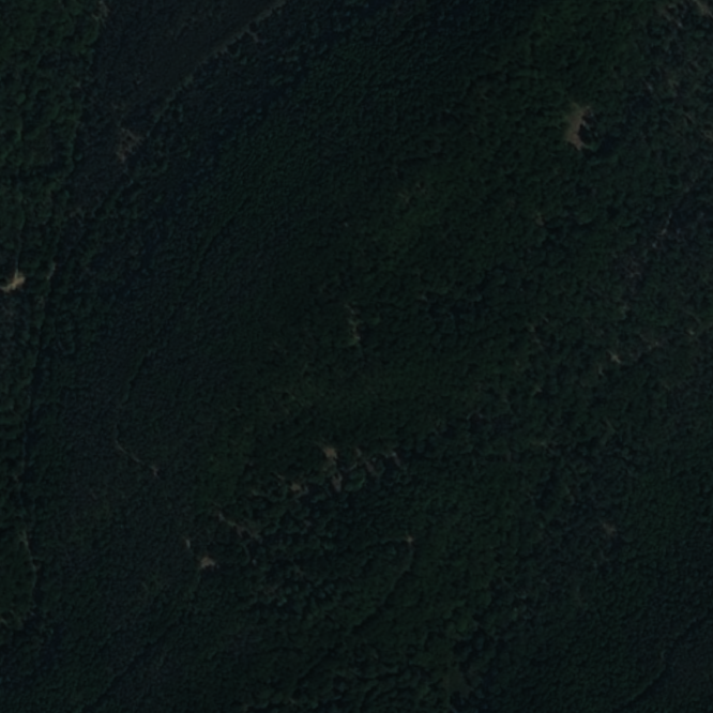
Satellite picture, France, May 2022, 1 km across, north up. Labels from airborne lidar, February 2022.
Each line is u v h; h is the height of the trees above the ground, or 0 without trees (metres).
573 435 30
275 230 23
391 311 36
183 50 13
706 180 11
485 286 36
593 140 25
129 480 23
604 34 35
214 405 23
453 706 0
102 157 27
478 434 34
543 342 30
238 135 27
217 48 5
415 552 22
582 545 28
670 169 29
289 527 37
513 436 33
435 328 34
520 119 32
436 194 23
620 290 31
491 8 30
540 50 32
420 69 27
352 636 31
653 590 32
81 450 28
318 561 29
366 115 27
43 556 24
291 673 29
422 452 36
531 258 36
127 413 24
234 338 24
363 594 21
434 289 39
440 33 25
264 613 29
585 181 32
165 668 25
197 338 21
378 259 31
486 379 34
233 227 25
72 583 28
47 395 30
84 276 15
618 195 30
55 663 27
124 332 26
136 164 30
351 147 25
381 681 39
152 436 19
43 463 32
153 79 13
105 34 21
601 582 29
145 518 25
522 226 35
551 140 36
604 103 31
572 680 25
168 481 21
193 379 24
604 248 25
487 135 33
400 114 22
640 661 24
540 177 33
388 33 32
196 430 25
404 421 38
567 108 27
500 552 37
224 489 27
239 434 31
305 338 32
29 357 27
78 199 26
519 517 33
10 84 30
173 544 21
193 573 23
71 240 29
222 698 29
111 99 23
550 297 32
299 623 30
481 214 33
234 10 14
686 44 32
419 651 36
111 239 13
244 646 23
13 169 11
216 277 22
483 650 37
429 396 33
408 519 20
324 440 36
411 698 39
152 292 26
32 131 27
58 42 30
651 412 29
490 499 28
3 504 27
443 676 8
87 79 18
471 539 29
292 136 25
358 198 21
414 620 32
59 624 34
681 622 26
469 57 28
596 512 31
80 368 25
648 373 26
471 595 38
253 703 35
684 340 30
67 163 21
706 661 23
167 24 21
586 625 29
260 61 11
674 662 20
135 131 25
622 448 29
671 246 30
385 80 18
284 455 31
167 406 24
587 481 20
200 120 17
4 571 31
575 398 35
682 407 28
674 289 30
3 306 26
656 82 32
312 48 11
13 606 34
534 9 26
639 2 31
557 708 25
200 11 21
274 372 23
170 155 10
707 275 29
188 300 26
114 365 23
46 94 29
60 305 20
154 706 21
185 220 27
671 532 25
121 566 25
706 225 14
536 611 33
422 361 25
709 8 27
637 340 29
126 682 26
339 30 14
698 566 28
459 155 31
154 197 17
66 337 28
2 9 28
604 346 19
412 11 27
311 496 40
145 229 15
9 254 23
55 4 29
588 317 25
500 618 35
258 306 25
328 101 28
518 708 33
